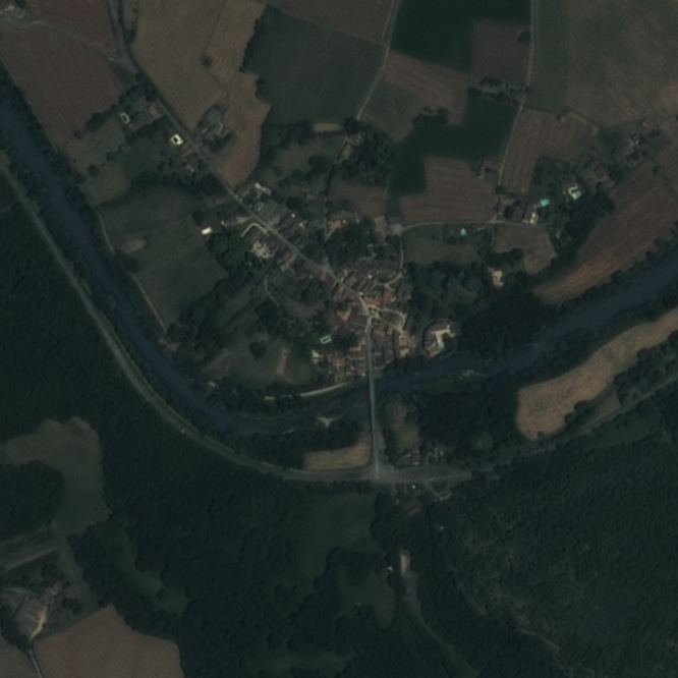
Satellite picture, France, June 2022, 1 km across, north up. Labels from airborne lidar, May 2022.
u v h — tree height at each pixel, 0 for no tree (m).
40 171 0
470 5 0
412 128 0
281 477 11
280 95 0
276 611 18
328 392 0
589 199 12
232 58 0
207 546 18
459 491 14
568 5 0
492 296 14
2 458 0
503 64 0
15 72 0
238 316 6
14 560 0
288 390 6
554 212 6
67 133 0
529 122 0
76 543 19
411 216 0
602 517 12
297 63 0
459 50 0
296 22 0
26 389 18
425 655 13
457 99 0
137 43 0
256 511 9
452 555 9
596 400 0
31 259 19
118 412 20
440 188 0
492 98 8
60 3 0
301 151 0
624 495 9
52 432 0
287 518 15
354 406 0
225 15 0
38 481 19
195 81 0
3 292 24
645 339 0
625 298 0
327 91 0
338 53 0
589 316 0
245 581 25
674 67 0
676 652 9
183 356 30
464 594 10
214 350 5
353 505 0
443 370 0
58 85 0
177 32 0
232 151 0
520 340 27
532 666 12
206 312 17
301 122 7
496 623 13
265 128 11
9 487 21
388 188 0
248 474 19
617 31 0
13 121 0
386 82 0
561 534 14
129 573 0
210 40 0
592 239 0
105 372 22
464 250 0
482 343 31
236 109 0
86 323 9
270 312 17
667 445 7
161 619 25
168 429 20
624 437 0
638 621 9
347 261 12
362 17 0
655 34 0
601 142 0
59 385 21
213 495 17
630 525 13
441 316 15
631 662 9
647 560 14
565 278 0
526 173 0
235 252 28
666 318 0
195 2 0
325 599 20
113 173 0
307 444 23
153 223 0
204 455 19
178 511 18
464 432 22
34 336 25
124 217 0
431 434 24
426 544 21
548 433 0
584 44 0
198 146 0
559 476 11
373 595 0
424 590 16
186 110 0
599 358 0
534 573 8
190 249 0
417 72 0
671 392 14
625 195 0
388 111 0
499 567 9
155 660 0
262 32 12
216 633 26
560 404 0
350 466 0
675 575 13
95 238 17
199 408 0
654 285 0
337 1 0
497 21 0
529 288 20
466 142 0
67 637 0
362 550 0
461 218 0
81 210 11
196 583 15
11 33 0
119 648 0
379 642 19
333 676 0
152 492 18
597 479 6
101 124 15
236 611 29
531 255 0
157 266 0
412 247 0
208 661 14
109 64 0
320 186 0
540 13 0
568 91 0
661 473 6
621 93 0
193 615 24
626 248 0
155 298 0
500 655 18
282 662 0
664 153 0
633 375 11
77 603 12
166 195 0
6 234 15
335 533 0
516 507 5
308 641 16
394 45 0
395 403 0
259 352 17
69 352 22
